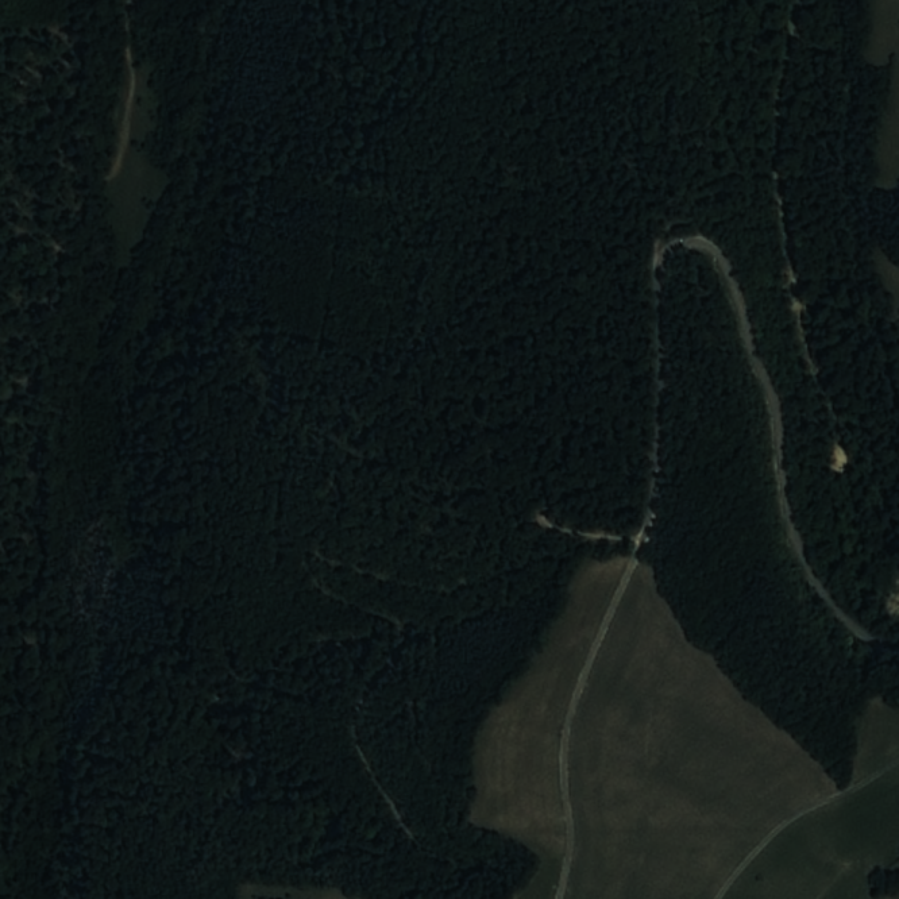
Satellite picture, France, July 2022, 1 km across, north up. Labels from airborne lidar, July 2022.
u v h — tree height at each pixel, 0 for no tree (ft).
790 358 74
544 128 80
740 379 72
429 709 47
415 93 82
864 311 113
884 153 0
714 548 73
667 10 71
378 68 102
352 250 59
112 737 113
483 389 100
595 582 0
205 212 45
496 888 94
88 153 100
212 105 86
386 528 72
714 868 0
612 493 74
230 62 73
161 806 77
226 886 33
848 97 78
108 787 115
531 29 68
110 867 84
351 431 83
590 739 0
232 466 108
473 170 71
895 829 0
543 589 55
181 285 52
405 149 103
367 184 88
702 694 0
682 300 68
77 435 33
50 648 134
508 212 70
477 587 65
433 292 58
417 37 57
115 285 30
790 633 50
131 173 0
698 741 0
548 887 0
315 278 45
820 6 100
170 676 118
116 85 36
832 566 29
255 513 78
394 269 31
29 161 52
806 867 0
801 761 0
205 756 55
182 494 113
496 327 79
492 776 0
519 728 0
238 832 88
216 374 124
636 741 0
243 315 52
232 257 73
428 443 88
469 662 52
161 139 37
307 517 68
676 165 68
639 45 80
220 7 61
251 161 100
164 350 106
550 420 90
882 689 43
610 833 0
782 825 0
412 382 77
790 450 59
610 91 65
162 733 85
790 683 71
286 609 52
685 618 59
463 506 79
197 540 114
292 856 93
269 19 76
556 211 70
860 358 119
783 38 73
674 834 0
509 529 73
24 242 76
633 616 0
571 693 0
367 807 93
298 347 98
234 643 89
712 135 57
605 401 91
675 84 68
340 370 86
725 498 37
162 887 55
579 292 102
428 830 41
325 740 59
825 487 107
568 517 75
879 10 0
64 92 94
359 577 51
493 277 67
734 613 58
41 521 129
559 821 0
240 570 85
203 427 112
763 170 51
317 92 105
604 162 79
